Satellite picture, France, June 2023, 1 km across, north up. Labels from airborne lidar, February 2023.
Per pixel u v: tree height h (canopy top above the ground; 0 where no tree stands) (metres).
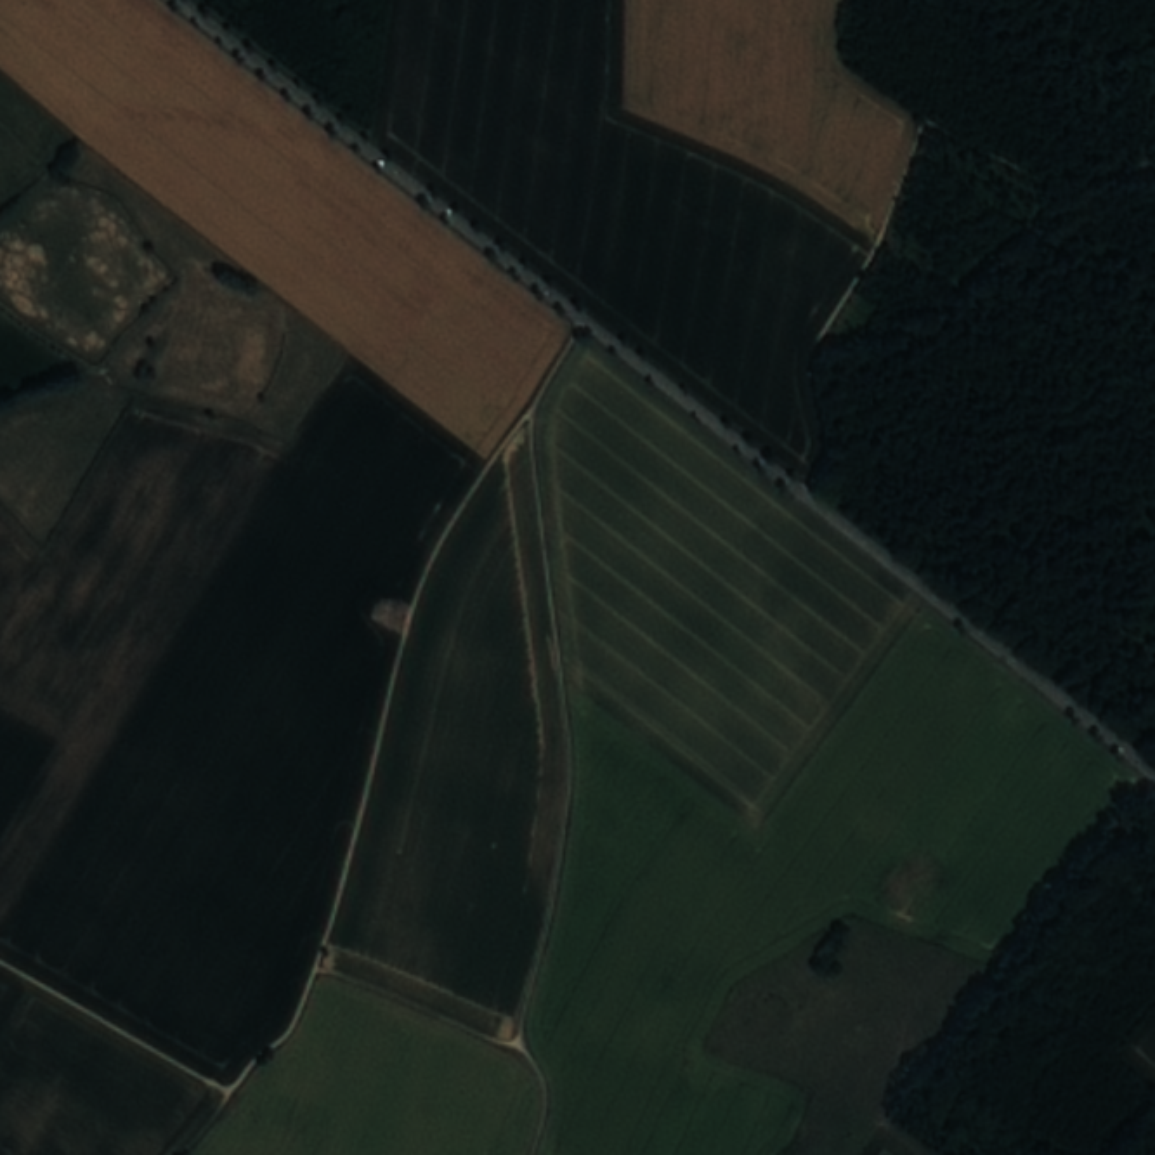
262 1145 0
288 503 0
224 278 15
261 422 0
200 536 0
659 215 0
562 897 0
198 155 0
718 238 0
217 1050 0
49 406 0
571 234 0
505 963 0
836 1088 0
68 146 9
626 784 0
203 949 0
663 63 0
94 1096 0
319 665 0
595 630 0
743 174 0
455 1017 0
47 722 0
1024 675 0
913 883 0
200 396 0
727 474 0
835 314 0
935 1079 29
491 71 0
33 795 0
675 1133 0
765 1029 0
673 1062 0
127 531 0
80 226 0
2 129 0
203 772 0
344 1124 0
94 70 0
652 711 0
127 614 0
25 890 0
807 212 0
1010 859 0
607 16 0
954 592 21
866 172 0
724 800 0
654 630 0
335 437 0
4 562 0
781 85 0
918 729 0
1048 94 21
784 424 0
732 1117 0
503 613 0
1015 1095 23
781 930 0
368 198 0
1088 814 0
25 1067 0
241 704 0
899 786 0
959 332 20
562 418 0
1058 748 0
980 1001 23
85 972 0
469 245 0
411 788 0
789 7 0
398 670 0
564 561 0
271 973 0
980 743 0
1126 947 15
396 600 0
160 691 0
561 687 0
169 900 0
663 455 0
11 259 0
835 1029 0
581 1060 0
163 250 0
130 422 0
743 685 0
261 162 0
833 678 0
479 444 0
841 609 0
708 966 0
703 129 0
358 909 0
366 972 0
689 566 0
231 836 0
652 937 0
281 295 0
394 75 0
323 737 0
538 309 0
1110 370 22
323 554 0
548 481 0
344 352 0
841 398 20
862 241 0
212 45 0
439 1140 0
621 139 0
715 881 0
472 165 0
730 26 0
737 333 0
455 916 0
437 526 0
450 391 0
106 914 0
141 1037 0
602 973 0
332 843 0
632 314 0
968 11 19
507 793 0
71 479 0
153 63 0
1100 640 18
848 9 6
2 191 0
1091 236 18
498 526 0
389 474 0
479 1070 0
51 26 0
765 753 0
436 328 0
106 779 0
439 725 0
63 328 0
